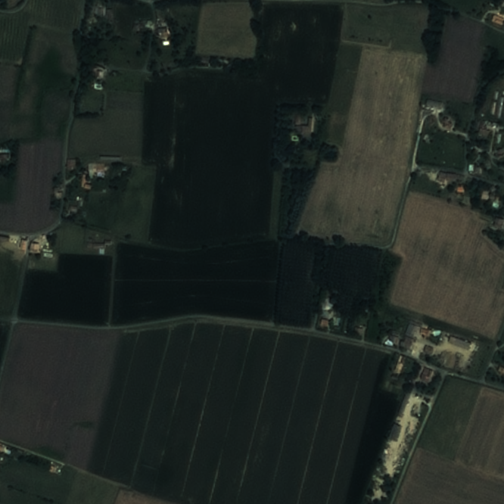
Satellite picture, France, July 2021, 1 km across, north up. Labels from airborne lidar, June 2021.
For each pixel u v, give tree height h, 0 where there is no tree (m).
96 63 5
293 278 21
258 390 0
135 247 0
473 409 0
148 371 0
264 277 0
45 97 0
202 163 0
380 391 0
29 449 0
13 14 0
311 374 0
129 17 0
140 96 0
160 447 0
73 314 0
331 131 0
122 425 0
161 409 0
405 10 0
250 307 0
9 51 0
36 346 0
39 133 0
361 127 0
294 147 21
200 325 0
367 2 0
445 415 0
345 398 0
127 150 0
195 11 0
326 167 0
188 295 0
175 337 0
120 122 0
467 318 0
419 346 0
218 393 0
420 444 0
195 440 0
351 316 17
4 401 0
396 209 0
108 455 0
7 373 0
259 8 18
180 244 0
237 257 0
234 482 0
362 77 0
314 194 0
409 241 0
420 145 0
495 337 0
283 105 12
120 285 0
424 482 0
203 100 0
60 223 0
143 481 0
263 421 0
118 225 0
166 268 0
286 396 0
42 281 0
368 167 0
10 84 0
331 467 0
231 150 0
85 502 0
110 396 0
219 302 0
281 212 8
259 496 0
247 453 0
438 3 10
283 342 0
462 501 0
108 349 0
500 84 0
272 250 0
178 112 0
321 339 0
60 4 0
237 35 0
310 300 19
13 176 11
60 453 0
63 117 0
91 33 8
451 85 0
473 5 0
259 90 0
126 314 0
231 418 0
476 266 0
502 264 0
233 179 0
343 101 0
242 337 0
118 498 0
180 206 0
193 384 0
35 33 0
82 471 0
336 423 0
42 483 0
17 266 0
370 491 10
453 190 10
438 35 15
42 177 0
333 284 20
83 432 0
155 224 0
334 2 0
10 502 0
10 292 0
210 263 0
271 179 0
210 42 0
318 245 23
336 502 0
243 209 0
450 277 0
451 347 0
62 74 0
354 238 0
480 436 0
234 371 0
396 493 0
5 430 0
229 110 0
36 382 0
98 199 0
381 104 0
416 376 7
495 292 0
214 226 0
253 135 0
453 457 0
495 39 0
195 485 0
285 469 0
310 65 0
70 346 0
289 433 0
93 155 0
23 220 0
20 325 0
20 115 0
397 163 0
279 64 0
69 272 0
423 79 0
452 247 0
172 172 0
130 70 0
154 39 6
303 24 0
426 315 0
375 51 0
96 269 0
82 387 0
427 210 0
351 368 0
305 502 0
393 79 0
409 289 0
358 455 0
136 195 0
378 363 0
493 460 0
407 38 0
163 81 0
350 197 0
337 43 0
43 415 0
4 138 0
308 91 0
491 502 0
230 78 0
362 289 20
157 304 0
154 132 0
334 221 0
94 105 0
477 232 0
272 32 0
